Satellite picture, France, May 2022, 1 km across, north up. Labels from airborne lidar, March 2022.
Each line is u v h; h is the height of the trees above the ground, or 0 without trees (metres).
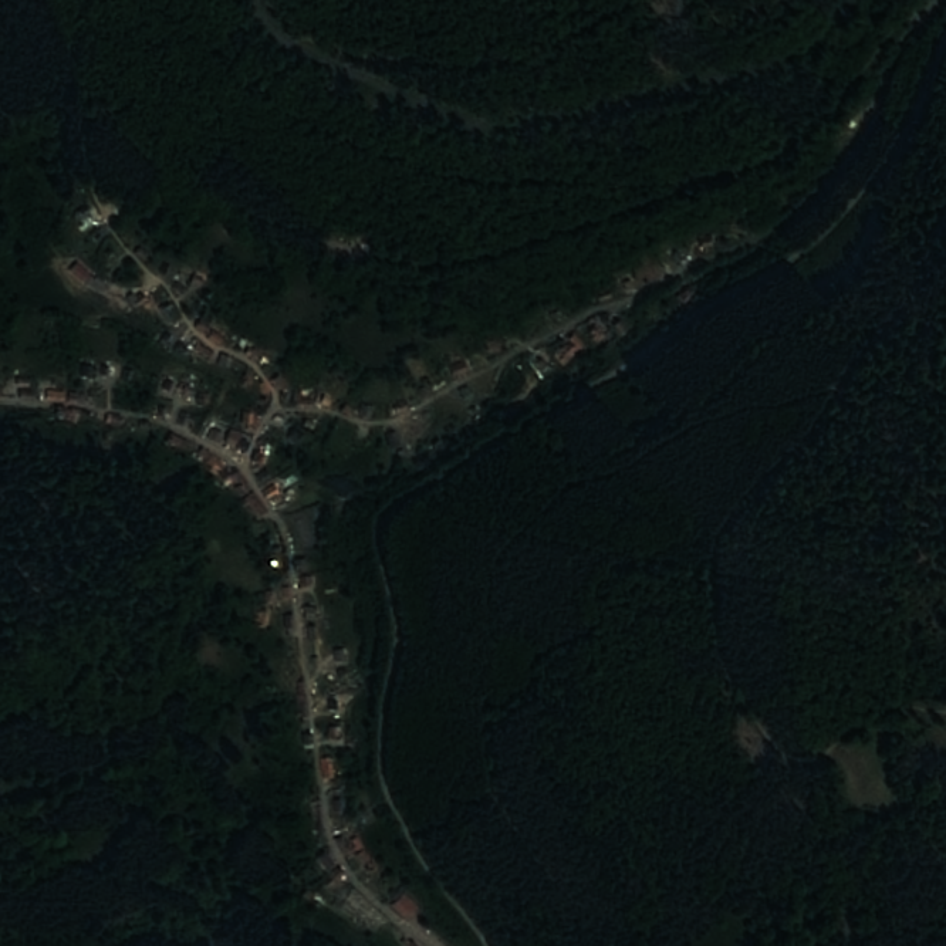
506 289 27
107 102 23
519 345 0
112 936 14
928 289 33
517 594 16
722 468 21
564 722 25
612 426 31
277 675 0
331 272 28
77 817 32
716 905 33
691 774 24
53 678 19
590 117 31
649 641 25
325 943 17
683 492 21
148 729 34
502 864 26
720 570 23
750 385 21
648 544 21
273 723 9
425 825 15
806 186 19
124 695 28
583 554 18
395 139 27
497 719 25
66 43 21
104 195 14
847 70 9
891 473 32
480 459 12
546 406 15
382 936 0
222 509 0
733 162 28
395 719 13
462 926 0
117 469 30
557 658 23
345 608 0
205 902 20
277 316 0
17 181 8
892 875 27
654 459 22
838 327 39
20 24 34
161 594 29
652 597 31
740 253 9
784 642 27
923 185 33
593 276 27
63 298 0
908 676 6
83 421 0
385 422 0
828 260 0
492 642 12
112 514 32
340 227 18
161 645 27
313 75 24
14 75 36
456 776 15
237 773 0
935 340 33
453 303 26
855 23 35
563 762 26
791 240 26
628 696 27
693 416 22
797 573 23
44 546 28
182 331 0
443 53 27
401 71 28
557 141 28
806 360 21
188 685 14
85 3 21
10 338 12
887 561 29
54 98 28
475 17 26
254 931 34
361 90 0
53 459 32
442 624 16
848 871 26
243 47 25
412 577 20
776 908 40
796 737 24
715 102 32
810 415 23
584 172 29
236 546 0
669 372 30
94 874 31
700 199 30
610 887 23
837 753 0
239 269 8
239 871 36
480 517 12
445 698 14
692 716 27
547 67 26
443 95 28
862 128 0
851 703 32
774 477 29
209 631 13
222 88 23
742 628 29
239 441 0
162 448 0
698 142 29
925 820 23
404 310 25
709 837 30
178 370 0
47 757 35
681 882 25
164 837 19
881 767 0
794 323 27
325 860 0
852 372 33
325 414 0
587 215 28
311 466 11
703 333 32
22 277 0
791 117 26
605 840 27
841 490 34
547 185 27
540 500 14
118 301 0
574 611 16
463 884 26
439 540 16
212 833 12
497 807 29
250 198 30
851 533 29
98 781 33
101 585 24
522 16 26
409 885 16
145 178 29
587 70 29
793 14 36
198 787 7
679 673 29
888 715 26
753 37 34
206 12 23
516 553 16
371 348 0
